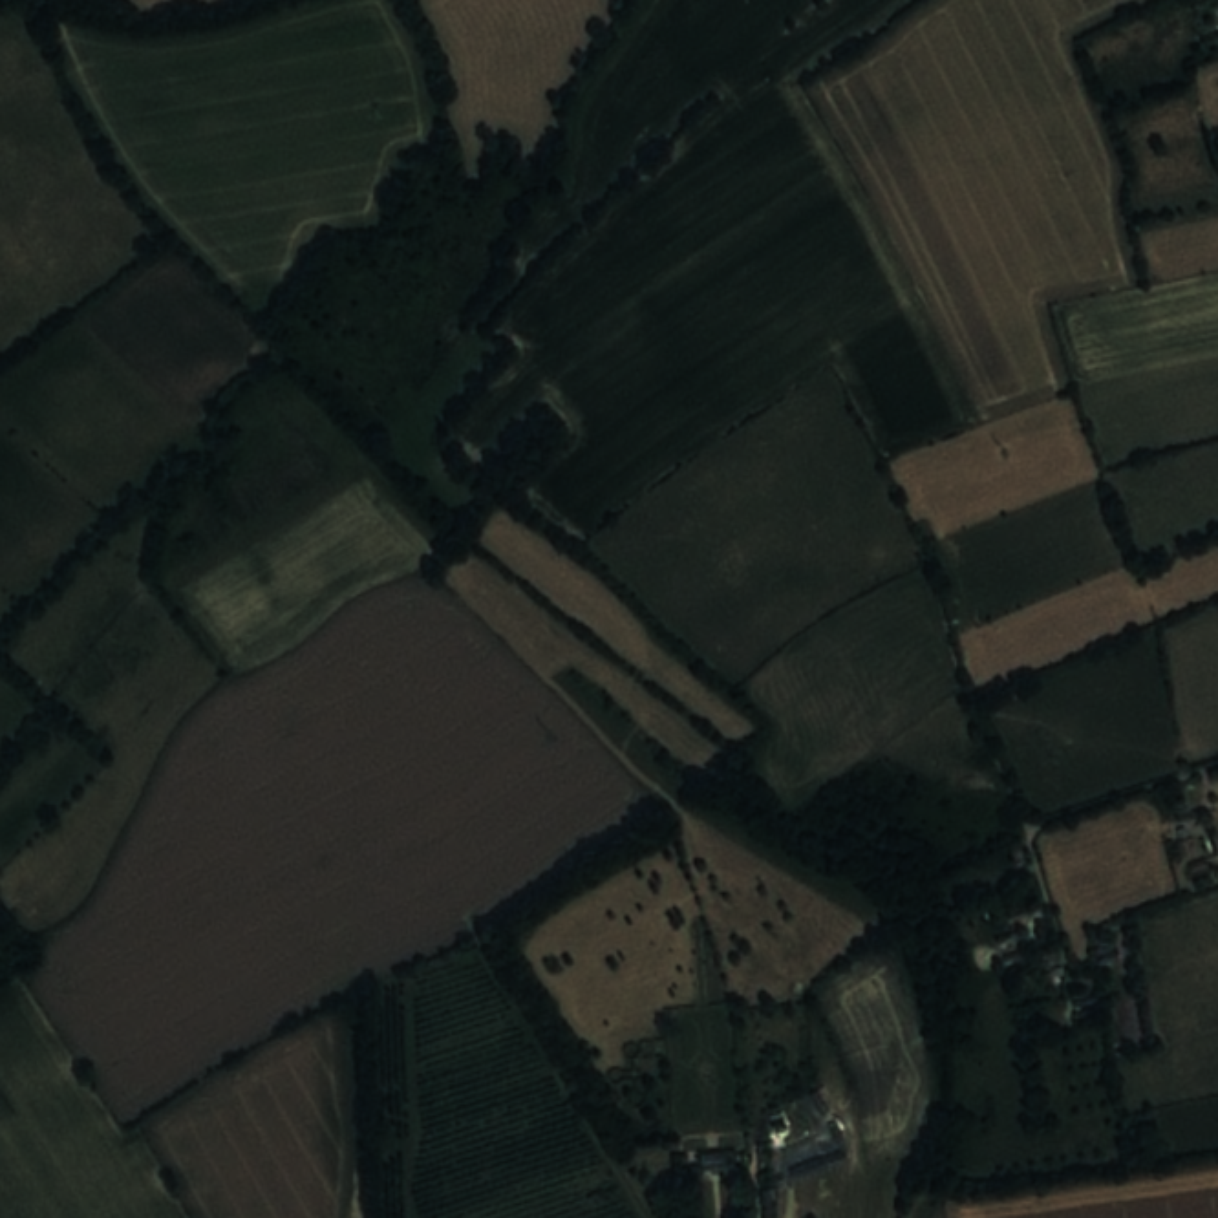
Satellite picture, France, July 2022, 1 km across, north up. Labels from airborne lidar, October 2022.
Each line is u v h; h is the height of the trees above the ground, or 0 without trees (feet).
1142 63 0
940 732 0
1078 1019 25
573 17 0
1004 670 0
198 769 0
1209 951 0
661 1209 55
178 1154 0
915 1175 68
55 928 0
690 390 0
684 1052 0
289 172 0
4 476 0
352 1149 0
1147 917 26
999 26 0
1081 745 0
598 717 0
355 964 0
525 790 0
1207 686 0
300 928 0
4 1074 0
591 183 0
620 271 0
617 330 0
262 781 0
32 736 30
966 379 0
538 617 0
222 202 0
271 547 0
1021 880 54
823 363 0
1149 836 0
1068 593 0
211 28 45
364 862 0
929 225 0
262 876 0
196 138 0
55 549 0
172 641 0
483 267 0
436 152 53
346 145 0
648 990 0
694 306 0
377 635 0
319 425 0
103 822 0
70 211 0
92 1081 39
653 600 0
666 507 0
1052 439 0
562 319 0
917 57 0
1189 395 0
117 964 0
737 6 0
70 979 0
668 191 0
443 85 79
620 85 0
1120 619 0
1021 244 0
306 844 0
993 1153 0
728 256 0
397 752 0
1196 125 0
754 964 0
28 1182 0
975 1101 0
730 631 0
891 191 0
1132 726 0
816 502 0
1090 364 0
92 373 0
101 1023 0
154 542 57
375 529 0
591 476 0
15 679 44
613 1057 0
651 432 0
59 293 0
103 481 0
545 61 0
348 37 0
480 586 0
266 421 0
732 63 0
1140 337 0
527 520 36
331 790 0
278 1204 0
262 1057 0
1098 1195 0
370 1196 79
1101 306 0
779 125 0
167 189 0
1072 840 0
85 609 0
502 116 0
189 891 0
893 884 69
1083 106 0
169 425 0
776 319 0
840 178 0
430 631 0
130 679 0
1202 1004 0
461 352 0
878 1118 0
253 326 52
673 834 55
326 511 0
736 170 0
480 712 0
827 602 0
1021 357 0
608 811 0
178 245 36
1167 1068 0
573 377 0
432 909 0
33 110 0
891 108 0
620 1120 63
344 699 0
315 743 0
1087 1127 0
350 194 0
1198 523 0
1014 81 0
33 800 0
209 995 0
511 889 0
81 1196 0
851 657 0
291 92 0
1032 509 0
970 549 0
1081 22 0
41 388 0
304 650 0
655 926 0
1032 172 0
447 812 0
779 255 0
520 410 0
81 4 67
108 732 0
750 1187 77
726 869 0
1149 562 56
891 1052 0
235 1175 0
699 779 71
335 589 0
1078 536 0
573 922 0
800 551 0
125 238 0
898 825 36
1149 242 0
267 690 0
